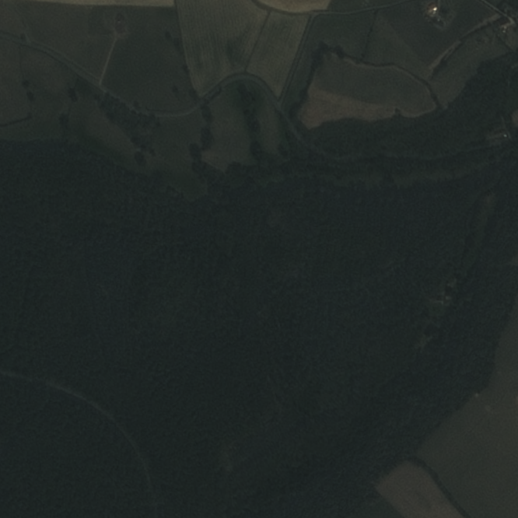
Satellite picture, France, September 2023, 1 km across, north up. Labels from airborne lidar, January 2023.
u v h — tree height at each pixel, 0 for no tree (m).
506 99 22
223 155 0
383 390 27
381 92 0
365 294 20
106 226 25
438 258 19
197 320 10
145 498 14
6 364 14
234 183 0
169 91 0
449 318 17
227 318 19
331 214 23
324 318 23
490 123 6
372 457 24
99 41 0
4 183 19
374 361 22
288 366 18
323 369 17
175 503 21
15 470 24
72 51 0
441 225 15
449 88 0
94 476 22
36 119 0
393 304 6
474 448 0
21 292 22
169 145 0
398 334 19
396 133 15
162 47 0
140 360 13
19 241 26
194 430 20
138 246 15
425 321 17
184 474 22
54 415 23
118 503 21
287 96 0
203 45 0
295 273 6
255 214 17
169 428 22
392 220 24
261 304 19
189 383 23
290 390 19
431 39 0
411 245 12
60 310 22
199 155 17
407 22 0
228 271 23
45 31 0
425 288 6
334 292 23
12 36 0
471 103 14
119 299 22
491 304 15
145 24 0
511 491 0
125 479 23
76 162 18
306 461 17
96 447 24
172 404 22
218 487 26
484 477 0
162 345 18
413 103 0
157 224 29
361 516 0
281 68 0
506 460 0
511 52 7
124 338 18
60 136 0
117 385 23
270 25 0
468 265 0
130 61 0
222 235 23
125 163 0
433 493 0
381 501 0
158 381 18
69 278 16
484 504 0
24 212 29
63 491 24
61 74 0
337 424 23
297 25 0
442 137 15
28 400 23
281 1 0
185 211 13
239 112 0
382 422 26
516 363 0
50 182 19
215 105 0
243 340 22
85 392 25
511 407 0
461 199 19
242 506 20
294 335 21
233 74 0
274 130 0
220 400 24
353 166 17
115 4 0
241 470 16
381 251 0
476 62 0
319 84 0
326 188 18
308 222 6
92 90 0
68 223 20
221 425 23
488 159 12
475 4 0
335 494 22
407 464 0
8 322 18
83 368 21
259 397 24
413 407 22
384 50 0
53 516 17
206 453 22
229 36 0
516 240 17
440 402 17
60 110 0
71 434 25
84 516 23
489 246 23
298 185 21
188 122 0
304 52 0
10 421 21
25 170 22
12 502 26
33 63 0
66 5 0
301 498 26
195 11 0
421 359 25
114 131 0
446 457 0
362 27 0
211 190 13
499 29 0
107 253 25
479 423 0
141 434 25
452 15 0
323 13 0
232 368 23
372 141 14
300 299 18
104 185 20
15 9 0
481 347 18
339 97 0
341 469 20
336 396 21
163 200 16
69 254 22
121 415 22
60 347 22
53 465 20
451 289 9
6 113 0
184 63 0
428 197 21
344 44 0
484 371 15
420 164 19
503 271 13
